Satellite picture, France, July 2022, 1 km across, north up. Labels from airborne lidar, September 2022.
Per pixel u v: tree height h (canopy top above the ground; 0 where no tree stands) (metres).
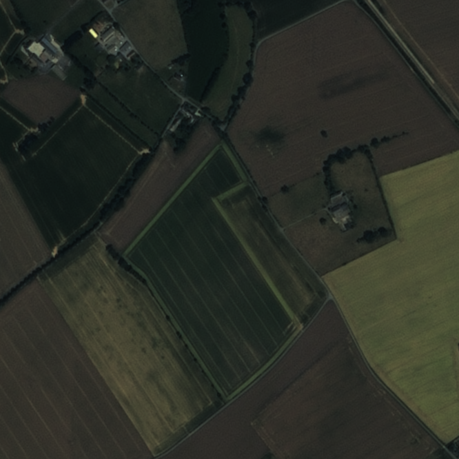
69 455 0
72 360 0
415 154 0
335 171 0
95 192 0
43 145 0
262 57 0
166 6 0
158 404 0
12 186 0
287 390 0
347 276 0
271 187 0
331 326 0
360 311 0
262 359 0
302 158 0
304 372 0
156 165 0
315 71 0
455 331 0
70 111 0
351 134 0
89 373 0
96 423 0
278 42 0
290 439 0
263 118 0
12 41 0
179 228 0
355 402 0
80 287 0
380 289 0
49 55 0
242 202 0
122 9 0
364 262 0
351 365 0
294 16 0
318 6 0
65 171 0
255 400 0
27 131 0
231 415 0
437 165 0
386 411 0
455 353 0
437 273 0
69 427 0
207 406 0
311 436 0
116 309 0
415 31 0
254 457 0
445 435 0
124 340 0
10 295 12
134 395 0
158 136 7
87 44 0
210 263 0
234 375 0
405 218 0
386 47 0
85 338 0
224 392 0
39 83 0
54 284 0
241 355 0
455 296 0
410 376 0
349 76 0
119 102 6
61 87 0
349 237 0
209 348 0
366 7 11
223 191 0
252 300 0
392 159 0
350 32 0
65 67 0
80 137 0
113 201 12
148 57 0
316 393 0
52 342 0
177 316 0
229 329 0
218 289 0
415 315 0
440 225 0
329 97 0
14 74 0
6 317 0
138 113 0
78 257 0
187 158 0
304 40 0
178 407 0
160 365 0
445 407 0
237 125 0
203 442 0
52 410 0
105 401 0
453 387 0
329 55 0
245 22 0
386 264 0
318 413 0
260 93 0
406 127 0
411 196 0
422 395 0
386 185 0
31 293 0
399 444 0
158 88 0
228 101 0
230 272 0
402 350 0
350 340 0
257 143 0
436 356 0
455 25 0
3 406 0
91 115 0
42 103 0
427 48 0
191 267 0
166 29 0
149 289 6
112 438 0
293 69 0
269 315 0
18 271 0
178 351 0
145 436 0
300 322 0
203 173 0
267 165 0
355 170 0
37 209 0
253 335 0
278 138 0
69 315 0
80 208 0
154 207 0
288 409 0
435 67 0
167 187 0
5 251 0
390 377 0
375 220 0
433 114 0
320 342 0
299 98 0
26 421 0
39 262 0
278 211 0
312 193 0
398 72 0
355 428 0
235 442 0
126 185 11
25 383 0
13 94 0
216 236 0
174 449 0
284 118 0
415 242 0
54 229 0
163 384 0
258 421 0
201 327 0
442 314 0
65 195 0
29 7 0
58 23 0
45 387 0
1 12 0
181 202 0
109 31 0
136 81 0
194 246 0
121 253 0
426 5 0
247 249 0
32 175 0
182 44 0
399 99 0
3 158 0
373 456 0
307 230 0
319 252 0
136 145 0
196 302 0
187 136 13
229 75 0
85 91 11
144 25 0
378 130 0
